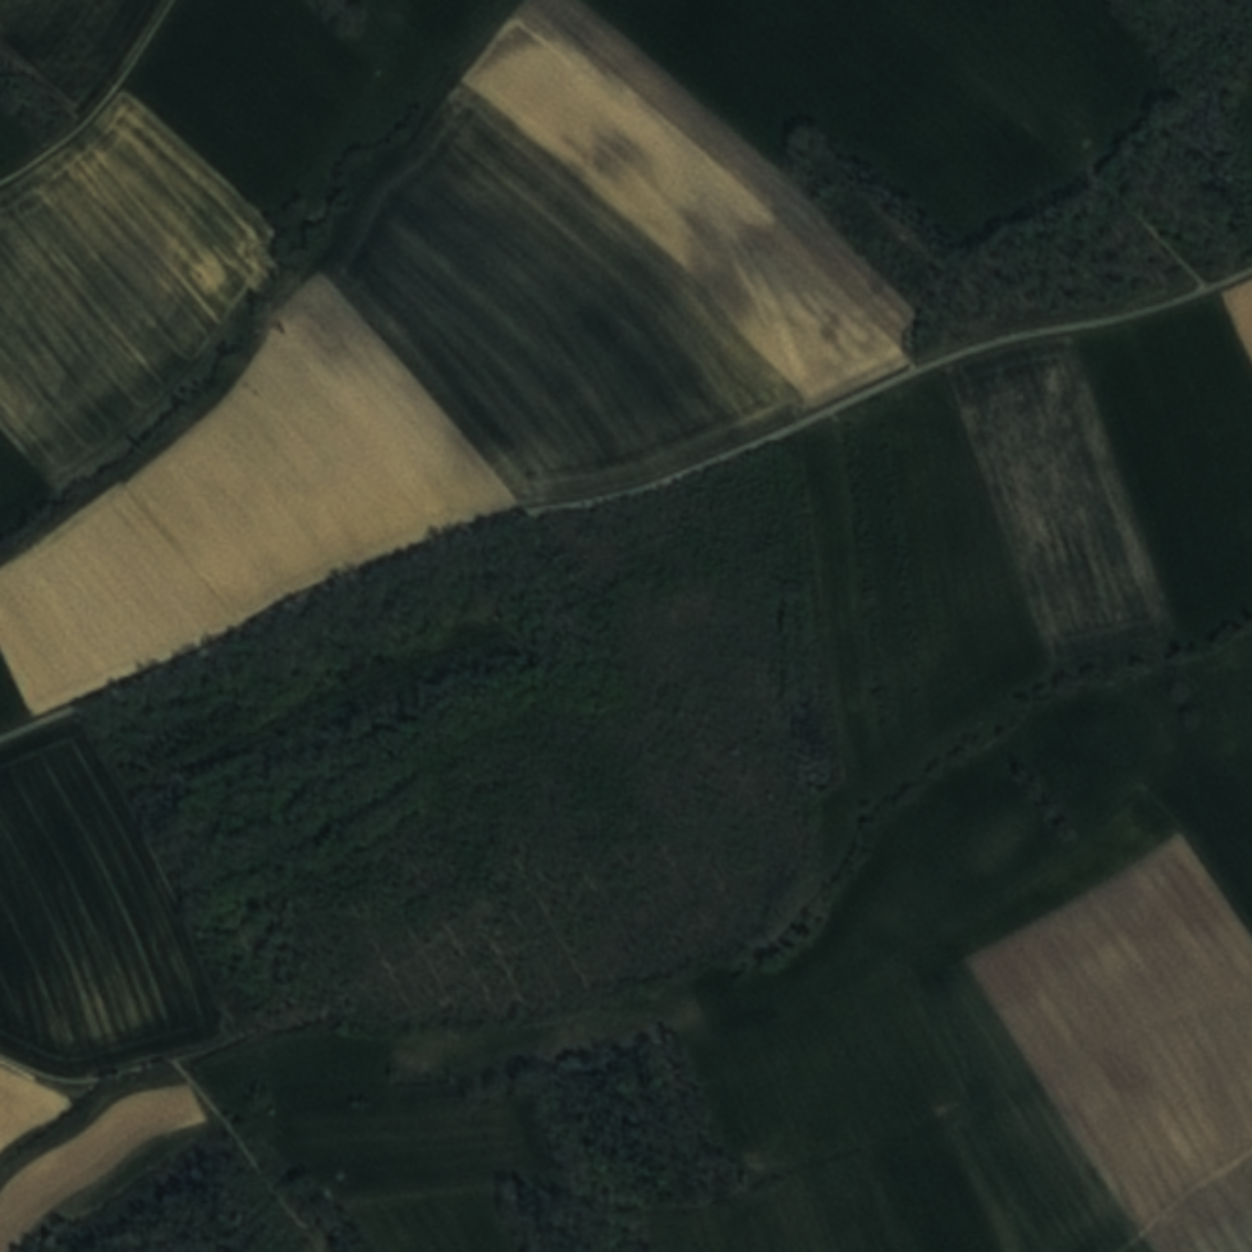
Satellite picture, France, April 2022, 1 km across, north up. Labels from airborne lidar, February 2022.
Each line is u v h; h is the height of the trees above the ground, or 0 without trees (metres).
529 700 23
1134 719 0
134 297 0
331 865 23
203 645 0
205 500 0
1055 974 0
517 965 0
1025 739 0
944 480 0
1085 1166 0
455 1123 0
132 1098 0
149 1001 0
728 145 0
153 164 0
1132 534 0
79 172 0
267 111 0
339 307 0
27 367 0
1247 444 0
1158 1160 0
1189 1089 0
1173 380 0
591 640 24
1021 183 0
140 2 0
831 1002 0
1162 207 29
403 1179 0
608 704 25
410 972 0
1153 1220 0
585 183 0
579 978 0
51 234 0
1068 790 0
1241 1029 0
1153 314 0
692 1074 25
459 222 0
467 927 0
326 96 0
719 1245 0
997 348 0
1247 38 14
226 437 0
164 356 0
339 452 0
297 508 0
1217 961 0
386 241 0
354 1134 0
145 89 0
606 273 0
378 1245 0
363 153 11
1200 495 0
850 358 0
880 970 0
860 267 0
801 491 7
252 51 0
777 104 0
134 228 0
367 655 23
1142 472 0
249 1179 20
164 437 6
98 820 0
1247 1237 0
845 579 0
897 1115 0
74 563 0
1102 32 0
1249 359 0
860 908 0
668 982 14
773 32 0
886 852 0
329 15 20
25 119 13
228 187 0
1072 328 0
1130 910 0
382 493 0
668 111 0
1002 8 0
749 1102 0
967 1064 0
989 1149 0
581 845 0
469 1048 0
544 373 0
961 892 0
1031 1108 0
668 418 0
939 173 0
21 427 0
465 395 0
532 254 0
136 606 0
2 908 0
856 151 0
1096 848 0
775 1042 0
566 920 0
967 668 0
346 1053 0
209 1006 0
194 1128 0
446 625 29
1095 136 0
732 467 8
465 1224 0
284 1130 0
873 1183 0
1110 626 0
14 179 0
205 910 26
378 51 0
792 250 0
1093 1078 0
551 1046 0
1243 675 0
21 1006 0
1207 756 0
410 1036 12
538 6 0
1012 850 0
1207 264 22
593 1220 27
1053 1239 0
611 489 0
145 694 18
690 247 0
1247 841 0
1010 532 0
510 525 15
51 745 0
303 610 19
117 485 0
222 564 0
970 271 24
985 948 0
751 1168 0
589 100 0
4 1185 0
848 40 0
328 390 0
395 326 0
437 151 0
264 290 0
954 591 0
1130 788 0
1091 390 0
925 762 0
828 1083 0
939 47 0
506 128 0
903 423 0
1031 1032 0
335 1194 0
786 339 0
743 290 0
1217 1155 0
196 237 0
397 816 26
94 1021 0
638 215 0
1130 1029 0
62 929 0
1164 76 16
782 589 18
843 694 0
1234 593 0
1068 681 13
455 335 0
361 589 17
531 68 0
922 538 0
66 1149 0
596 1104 22
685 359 0
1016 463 0
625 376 0
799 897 26
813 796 14
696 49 0
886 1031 0
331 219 8
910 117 0
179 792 8
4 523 0
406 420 0
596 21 0
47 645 0
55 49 0
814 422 0
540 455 0
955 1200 0
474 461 0
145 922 0
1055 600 0
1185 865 0
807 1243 0
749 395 0
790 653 14
